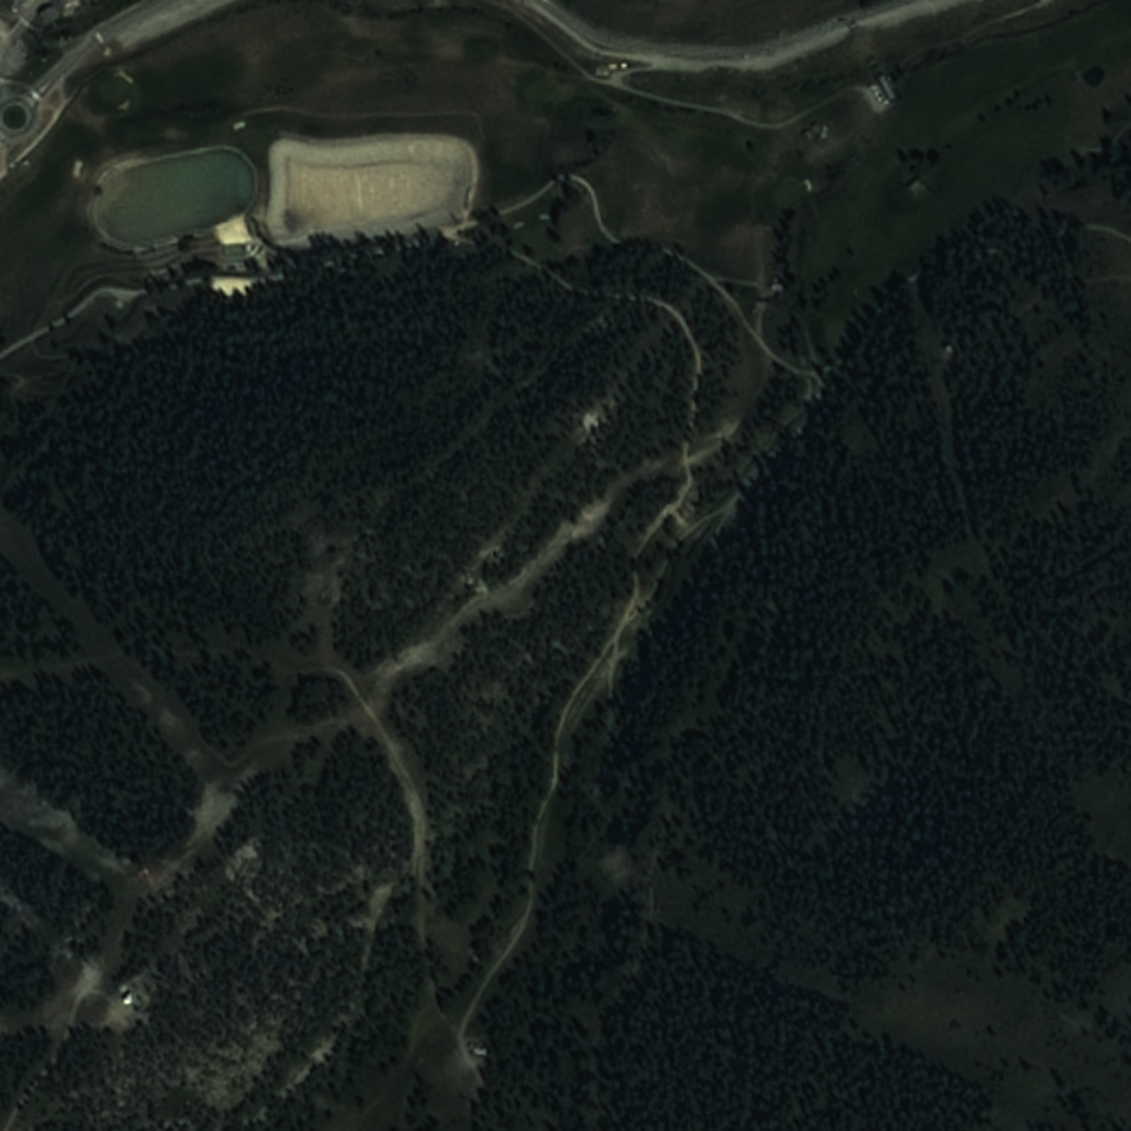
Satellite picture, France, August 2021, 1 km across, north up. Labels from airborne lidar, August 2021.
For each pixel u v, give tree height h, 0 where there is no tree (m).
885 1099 13
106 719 15
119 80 0
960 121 0
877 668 16
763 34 0
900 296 13
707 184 0
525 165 0
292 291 12
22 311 0
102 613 20
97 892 12
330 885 10
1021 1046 0
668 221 0
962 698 17
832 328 0
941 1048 0
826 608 21
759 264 0
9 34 0
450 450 12
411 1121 6
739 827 14
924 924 12
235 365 12
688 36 0
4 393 17
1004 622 9
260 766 0
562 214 15
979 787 14
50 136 0
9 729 12
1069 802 12
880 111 0
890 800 12
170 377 11
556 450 14
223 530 11
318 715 17
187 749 0
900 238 0
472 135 0
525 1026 13
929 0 0
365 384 12
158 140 0
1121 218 0
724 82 0
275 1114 20
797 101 0
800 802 17
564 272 13
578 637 14
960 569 0
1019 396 15
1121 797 0
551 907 18
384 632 11
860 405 23
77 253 0
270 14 0
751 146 8
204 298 15
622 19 0
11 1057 12
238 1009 8
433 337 0
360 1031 15
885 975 7
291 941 7
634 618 0
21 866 9
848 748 16
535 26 0
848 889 13
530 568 0
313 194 0
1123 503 0
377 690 0
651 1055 14
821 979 0
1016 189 0
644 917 14
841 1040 11
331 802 10
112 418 17
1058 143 0
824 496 15
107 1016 0
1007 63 0
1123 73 0
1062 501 0
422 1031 0
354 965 16
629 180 0
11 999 13
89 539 17
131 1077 10
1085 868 21
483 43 0
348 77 0
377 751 18
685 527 0
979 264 19
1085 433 7
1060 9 0
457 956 0
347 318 17
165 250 0
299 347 13
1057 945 14
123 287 0
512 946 0
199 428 10
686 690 16
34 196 0
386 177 0
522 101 0
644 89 0
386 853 13
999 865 16
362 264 11
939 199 0
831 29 0
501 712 11
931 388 10
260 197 0
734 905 0
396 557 7
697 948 14
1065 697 13
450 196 0
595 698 0
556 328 6
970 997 0
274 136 0
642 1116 19
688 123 0
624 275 14
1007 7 0
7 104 0
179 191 0
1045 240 16
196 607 23
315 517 0
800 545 19
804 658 24
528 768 17
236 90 0
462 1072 0
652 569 20
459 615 0
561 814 0
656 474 0
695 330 12
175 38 0
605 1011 6
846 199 0
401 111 0
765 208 0
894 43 0
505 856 20
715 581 17
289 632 17
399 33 0
